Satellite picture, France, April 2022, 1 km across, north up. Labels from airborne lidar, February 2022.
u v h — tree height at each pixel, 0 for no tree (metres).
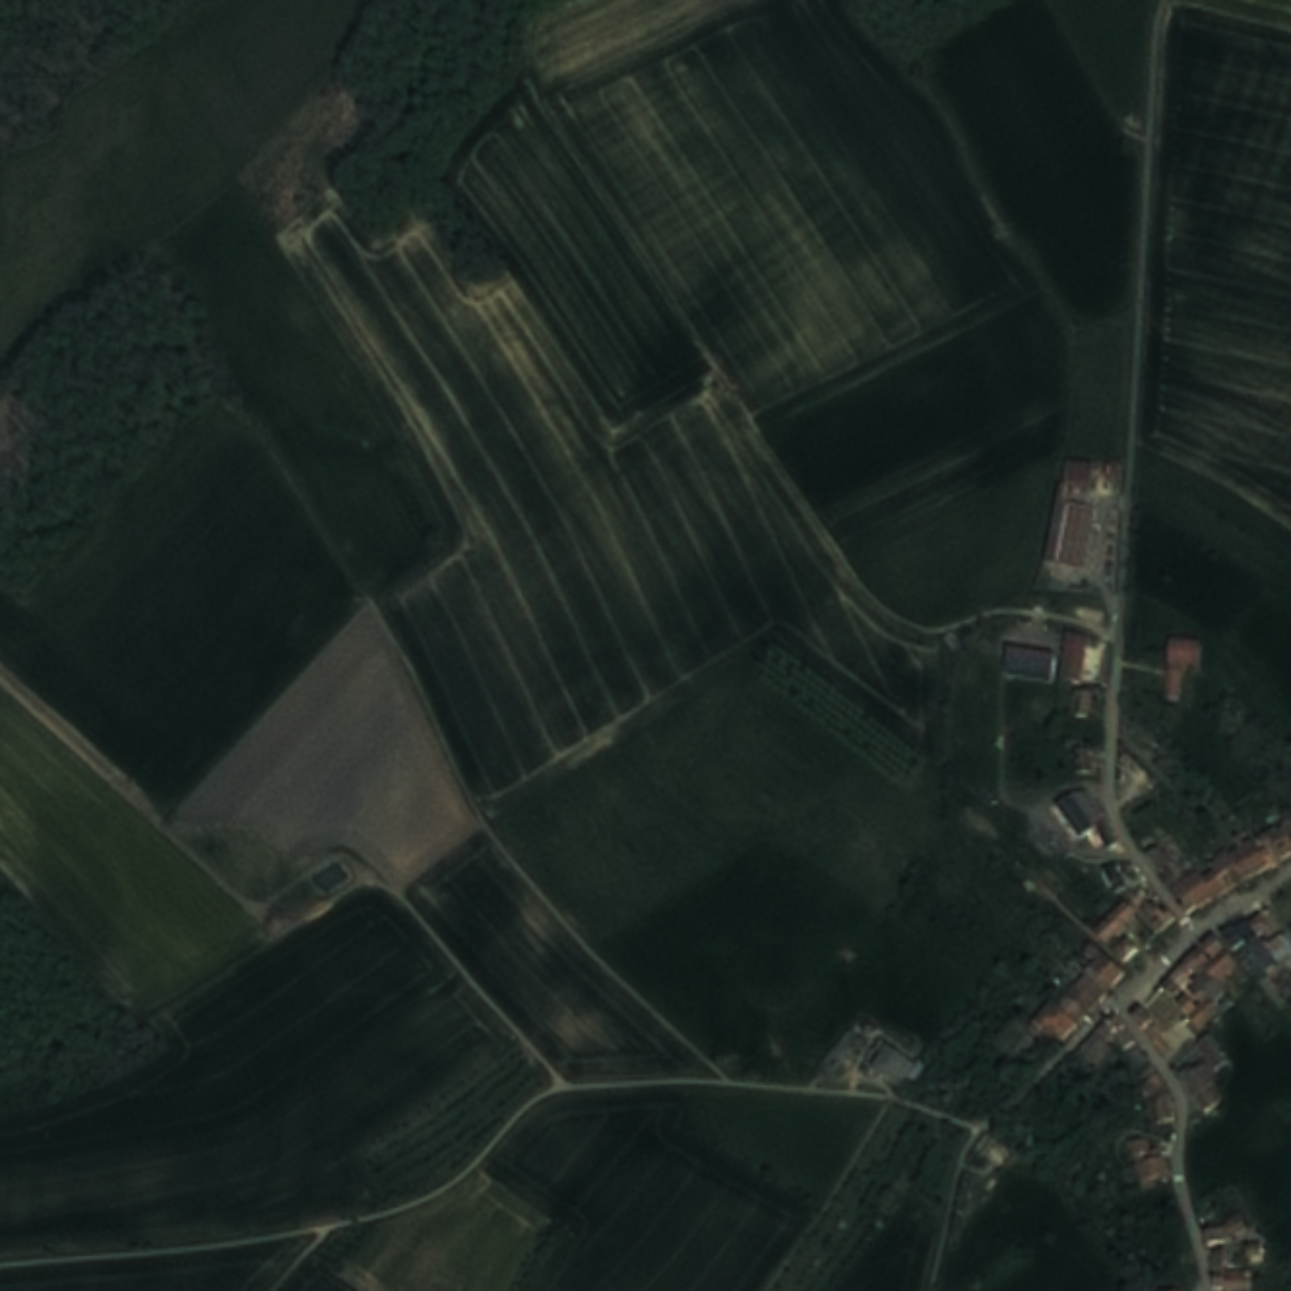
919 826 0
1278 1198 0
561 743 0
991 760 0
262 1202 0
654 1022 0
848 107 0
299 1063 0
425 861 0
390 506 0
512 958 0
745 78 0
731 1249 0
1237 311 0
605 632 0
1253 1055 0
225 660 0
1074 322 0
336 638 0
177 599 0
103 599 0
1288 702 0
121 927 0
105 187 0
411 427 0
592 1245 0
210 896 0
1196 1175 0
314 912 0
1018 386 0
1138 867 0
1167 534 0
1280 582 0
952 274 0
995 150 0
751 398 0
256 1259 0
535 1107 0
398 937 0
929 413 0
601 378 0
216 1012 0
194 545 0
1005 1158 0
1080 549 0
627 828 0
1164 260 0
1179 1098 0
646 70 0
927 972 0
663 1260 0
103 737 0
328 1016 0
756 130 0
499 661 0
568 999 0
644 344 0
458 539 0
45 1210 0
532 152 0
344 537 0
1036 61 0
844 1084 0
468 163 0
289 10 0
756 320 0
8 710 0
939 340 0
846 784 0
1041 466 0
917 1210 0
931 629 0
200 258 0
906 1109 11
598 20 0
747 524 0
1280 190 0
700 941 0
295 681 0
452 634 0
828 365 0
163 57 0
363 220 19
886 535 0
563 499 0
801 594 0
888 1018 0
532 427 0
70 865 0
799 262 0
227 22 0
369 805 0
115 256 0
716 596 0
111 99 0
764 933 0
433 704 0
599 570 0
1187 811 11
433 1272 0
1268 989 0
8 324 0
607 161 0
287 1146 0
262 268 0
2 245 0
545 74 0
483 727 0
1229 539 0
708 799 0
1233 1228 0
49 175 0
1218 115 0
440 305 0
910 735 0
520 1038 0
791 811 0
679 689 0
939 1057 6
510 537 0
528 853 0
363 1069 0
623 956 0
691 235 0
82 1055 15
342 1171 0
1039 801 0
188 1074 0
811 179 0
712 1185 0
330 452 0
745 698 0
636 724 0
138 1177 0
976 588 0
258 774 0
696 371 0
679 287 0
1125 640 0
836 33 0
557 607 0
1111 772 0
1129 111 0
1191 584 0
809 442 0
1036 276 0
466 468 0
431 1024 0
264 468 0
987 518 0
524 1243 0
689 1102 0
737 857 0
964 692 0
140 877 0
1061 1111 6
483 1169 0
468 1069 0
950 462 0
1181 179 0
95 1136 0
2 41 20
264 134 0
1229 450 0
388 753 0
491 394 0
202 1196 0
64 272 0
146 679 0
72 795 0
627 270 0
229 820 0
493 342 0
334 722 0
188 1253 0
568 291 0
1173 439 0
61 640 0
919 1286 0
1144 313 0
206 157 0
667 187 0
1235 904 0
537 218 0
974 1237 0
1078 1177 7
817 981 0
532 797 0
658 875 0
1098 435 0
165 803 0
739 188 0
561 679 0
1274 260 0
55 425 28
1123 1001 0
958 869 0
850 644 0
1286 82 0
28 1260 0
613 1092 0
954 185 0
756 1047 0
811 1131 0
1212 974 0
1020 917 0
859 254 0
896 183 0
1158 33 0
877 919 0
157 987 0
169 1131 0
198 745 0
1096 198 0
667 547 0
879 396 0
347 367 0
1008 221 0
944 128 0
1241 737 14
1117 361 0
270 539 0
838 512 0
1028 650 9
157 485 0
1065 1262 0
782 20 0
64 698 0
